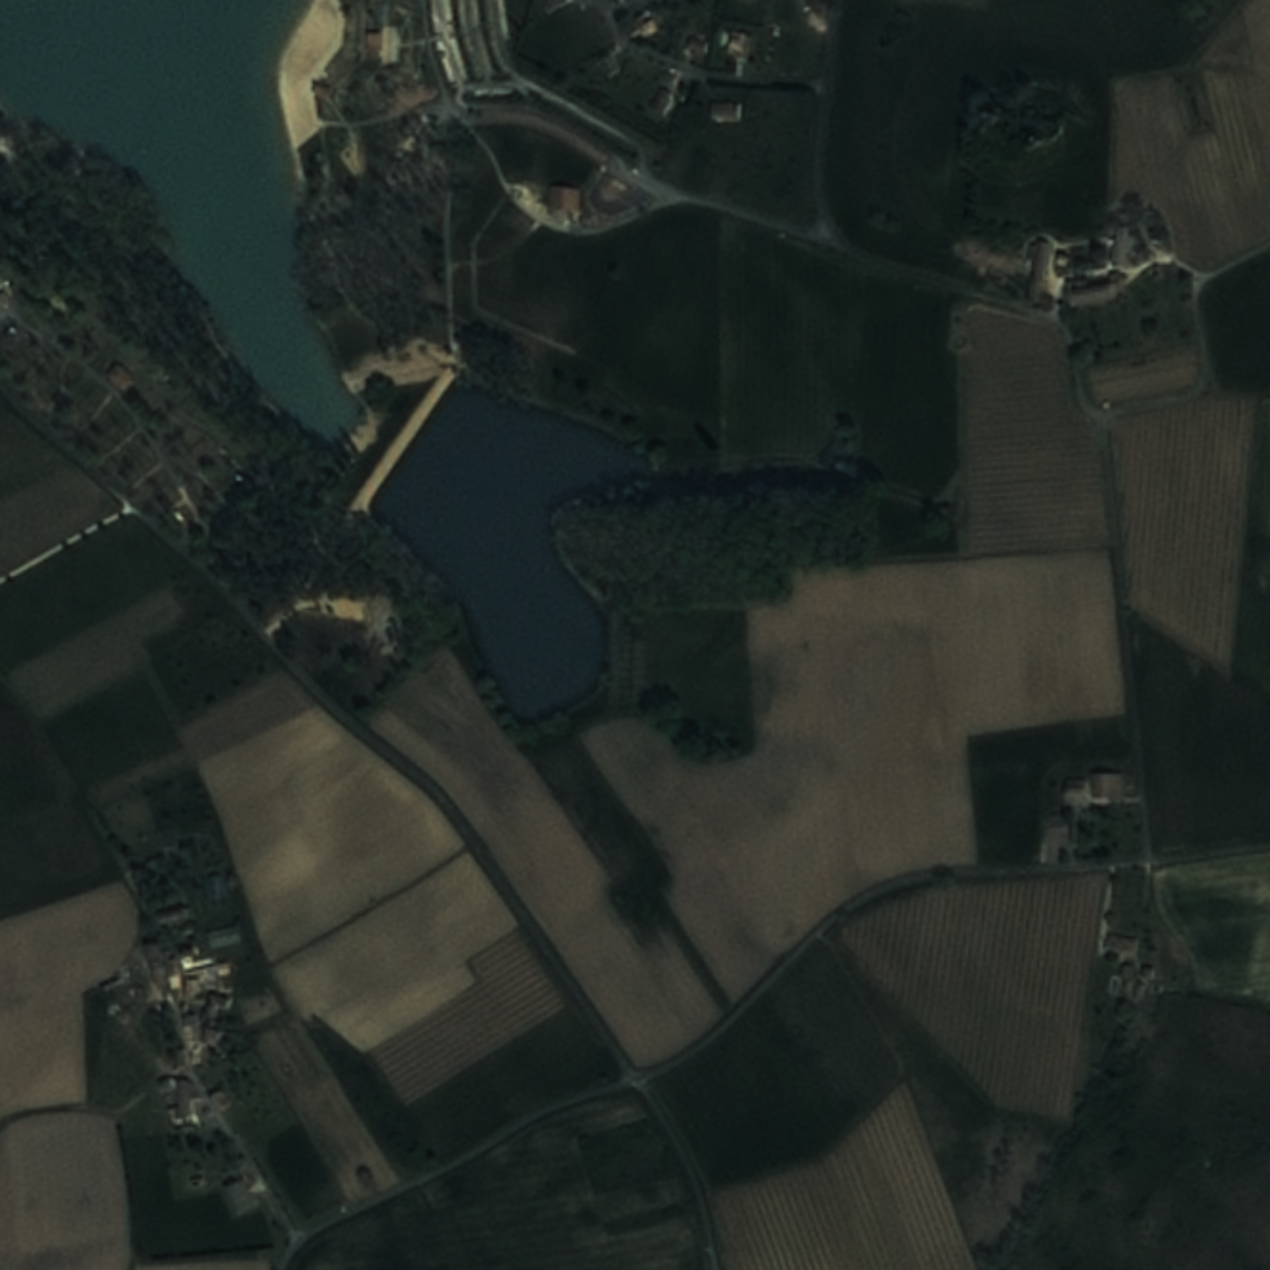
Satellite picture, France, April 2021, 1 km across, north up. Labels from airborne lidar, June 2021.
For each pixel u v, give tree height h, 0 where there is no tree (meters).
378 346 0
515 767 0
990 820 0
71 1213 0
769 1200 0
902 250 0
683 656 0
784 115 0
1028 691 0
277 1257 0
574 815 0
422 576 26
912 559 0
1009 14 0
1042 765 0
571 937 0
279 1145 0
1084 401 0
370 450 0
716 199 0
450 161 12
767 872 0
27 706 0
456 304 0
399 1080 0
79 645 0
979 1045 0
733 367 0
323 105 0
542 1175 0
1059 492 0
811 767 0
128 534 0
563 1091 0
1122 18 0
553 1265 0
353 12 8
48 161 17
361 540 23
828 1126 0
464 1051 0
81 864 0
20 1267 0
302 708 0
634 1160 0
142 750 0
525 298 0
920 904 0
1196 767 0
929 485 0
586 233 0
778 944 0
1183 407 0
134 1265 0
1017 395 0
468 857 0
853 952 0
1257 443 0
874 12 0
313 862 0
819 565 20
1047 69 0
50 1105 0
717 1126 0
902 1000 0
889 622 0
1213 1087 0
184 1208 0
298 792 0
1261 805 0
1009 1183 0
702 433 0
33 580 0
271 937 0
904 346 0
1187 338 9
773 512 24
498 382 18
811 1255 0
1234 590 0
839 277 0
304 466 21
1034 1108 0
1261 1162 0
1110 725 0
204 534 13
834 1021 0
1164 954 0
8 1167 0
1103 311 8
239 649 6
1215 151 0
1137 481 0
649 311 0
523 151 0
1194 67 0
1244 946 0
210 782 0
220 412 23
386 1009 0
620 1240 0
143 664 0
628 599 19
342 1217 0
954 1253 0
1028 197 0
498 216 0
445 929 0
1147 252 11
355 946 0
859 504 28
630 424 10
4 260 13
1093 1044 0
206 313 23
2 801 0
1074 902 0
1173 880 0
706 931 0
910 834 0
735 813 0
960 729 0
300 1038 0
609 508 19
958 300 9
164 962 0
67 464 0
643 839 0
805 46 0
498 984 0
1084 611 0
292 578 24
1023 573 0
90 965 0
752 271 0
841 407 0
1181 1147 0
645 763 0
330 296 16
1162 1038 0
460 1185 0
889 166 0
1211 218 0
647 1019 0
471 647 0
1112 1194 0
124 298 11
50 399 0
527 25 7
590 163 0
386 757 0
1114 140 0
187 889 18
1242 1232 0
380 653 0
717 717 0
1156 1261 0
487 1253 0
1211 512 0
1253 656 0
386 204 14
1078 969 0
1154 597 0
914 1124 0
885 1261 0
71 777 0
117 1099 0
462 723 0
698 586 19
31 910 0
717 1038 0
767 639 0
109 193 24
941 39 0
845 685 0
